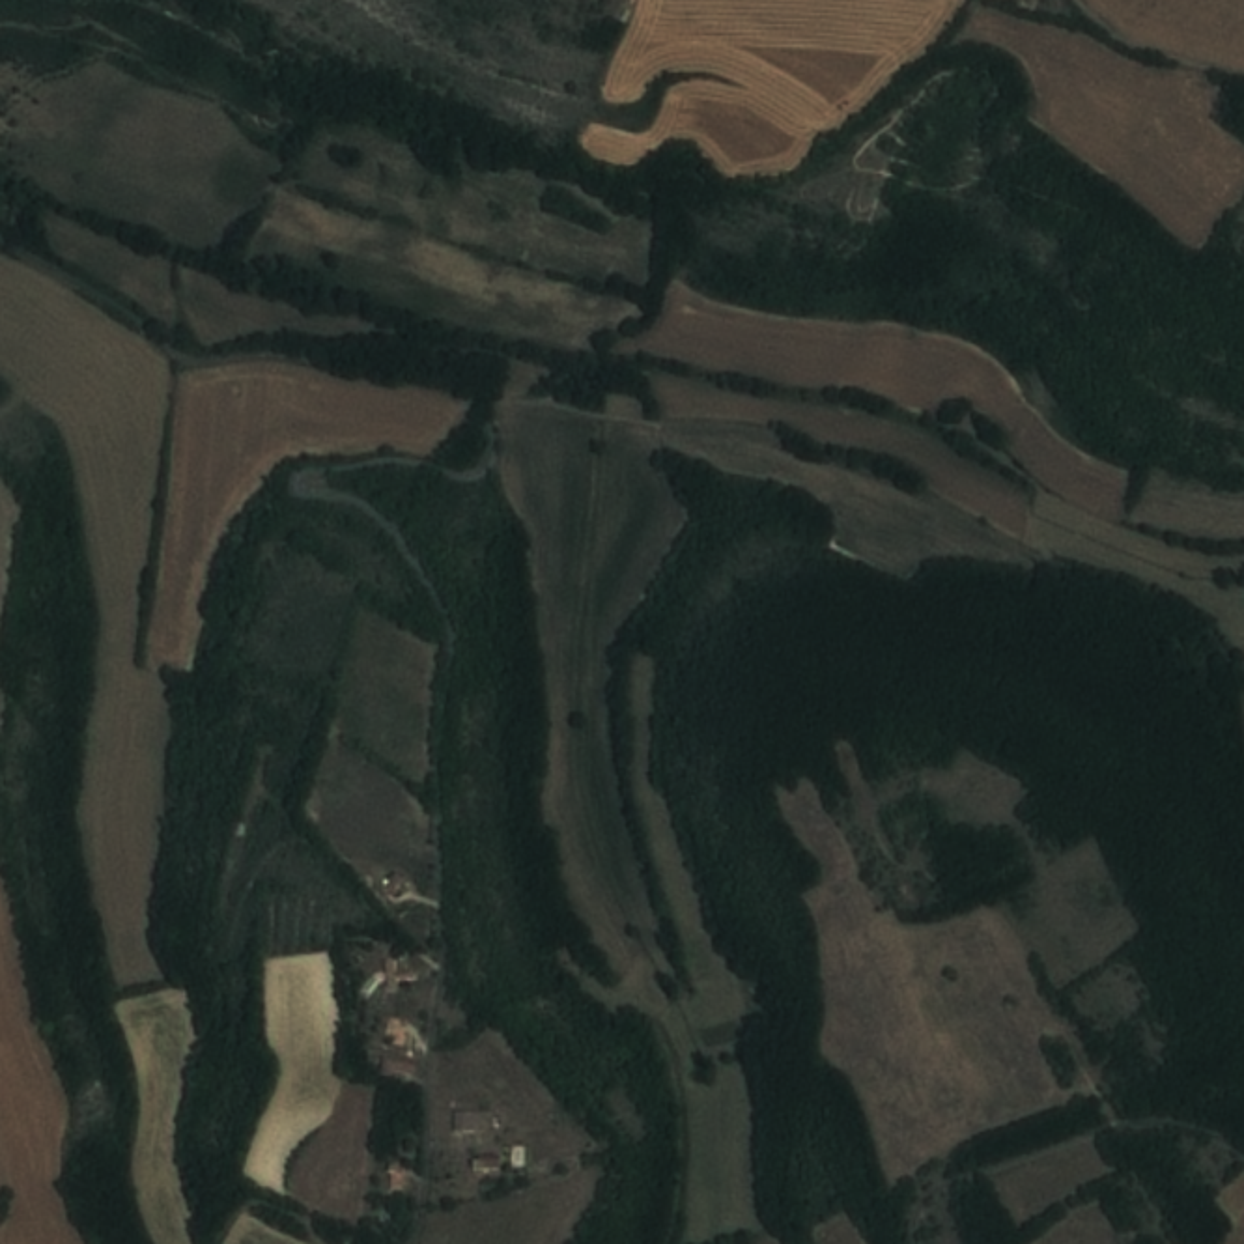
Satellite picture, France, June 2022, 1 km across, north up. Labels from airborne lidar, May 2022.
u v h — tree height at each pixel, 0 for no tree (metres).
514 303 0
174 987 17
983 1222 11
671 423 0
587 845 0
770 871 7
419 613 11
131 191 0
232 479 0
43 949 10
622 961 0
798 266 6
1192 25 0
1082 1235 0
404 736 0
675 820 9
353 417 0
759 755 10
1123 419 6
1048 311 7
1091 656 17
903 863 7
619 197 15
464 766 6
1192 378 9
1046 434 0
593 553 0
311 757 13
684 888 0
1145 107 0
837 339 0
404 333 12
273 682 9
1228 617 0
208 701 10
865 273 14
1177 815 8
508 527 6
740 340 0
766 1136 17
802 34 0
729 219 8
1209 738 15
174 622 0
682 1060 0
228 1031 12
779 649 10
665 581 6
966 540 0
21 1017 0
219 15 12
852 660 12
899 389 0
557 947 15
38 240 9
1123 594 14
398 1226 6
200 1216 17
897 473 18
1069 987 7
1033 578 13
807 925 9
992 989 0
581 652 0
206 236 0
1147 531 13
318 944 7
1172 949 10
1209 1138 7
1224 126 7
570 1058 8
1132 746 11
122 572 0
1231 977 9
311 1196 0
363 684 0
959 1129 0
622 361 9
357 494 7
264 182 0
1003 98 12
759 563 7
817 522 16
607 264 0
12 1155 0
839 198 0
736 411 0
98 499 0
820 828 0
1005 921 0
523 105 0
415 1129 12
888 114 6
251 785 8
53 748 9
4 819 8
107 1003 15
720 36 0
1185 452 6
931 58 8
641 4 0
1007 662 14
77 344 0
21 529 8
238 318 0
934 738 6
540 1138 0
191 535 0
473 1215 0
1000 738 12
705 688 8
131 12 6
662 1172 15
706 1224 0
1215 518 0
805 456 18
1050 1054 7
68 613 11
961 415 16
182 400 0
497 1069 0
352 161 17
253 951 13
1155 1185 7
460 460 11
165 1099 0
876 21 0
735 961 16
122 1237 14
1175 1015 9
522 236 0
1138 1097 9
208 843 7
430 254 0
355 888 7
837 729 10
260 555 8
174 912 16
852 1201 13
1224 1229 12
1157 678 17
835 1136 11
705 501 7
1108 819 9
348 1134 0
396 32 0
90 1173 13
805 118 0
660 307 11
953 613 13
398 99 14
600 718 0
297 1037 0
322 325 0
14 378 0
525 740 16
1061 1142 9
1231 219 8
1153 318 8
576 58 0
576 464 0
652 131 0
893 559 0
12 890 8
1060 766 10
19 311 0
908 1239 8
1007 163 8
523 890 8
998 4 7
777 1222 15
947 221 17
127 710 0
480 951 7
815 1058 14
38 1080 0
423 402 0
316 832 9
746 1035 18
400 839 0
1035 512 0
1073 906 0
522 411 0
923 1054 0
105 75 0
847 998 0
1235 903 12
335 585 0
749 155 0
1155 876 9
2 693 6
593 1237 13
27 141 0
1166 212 0
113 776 0
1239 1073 11
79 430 0
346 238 0
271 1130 0
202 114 0
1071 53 0
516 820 14
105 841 0
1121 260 9
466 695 11
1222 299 10
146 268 0
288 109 7
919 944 0
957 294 8
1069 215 7
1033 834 6
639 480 0
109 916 0
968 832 7
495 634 10
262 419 0
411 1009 0
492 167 18
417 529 10
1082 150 0
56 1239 0
